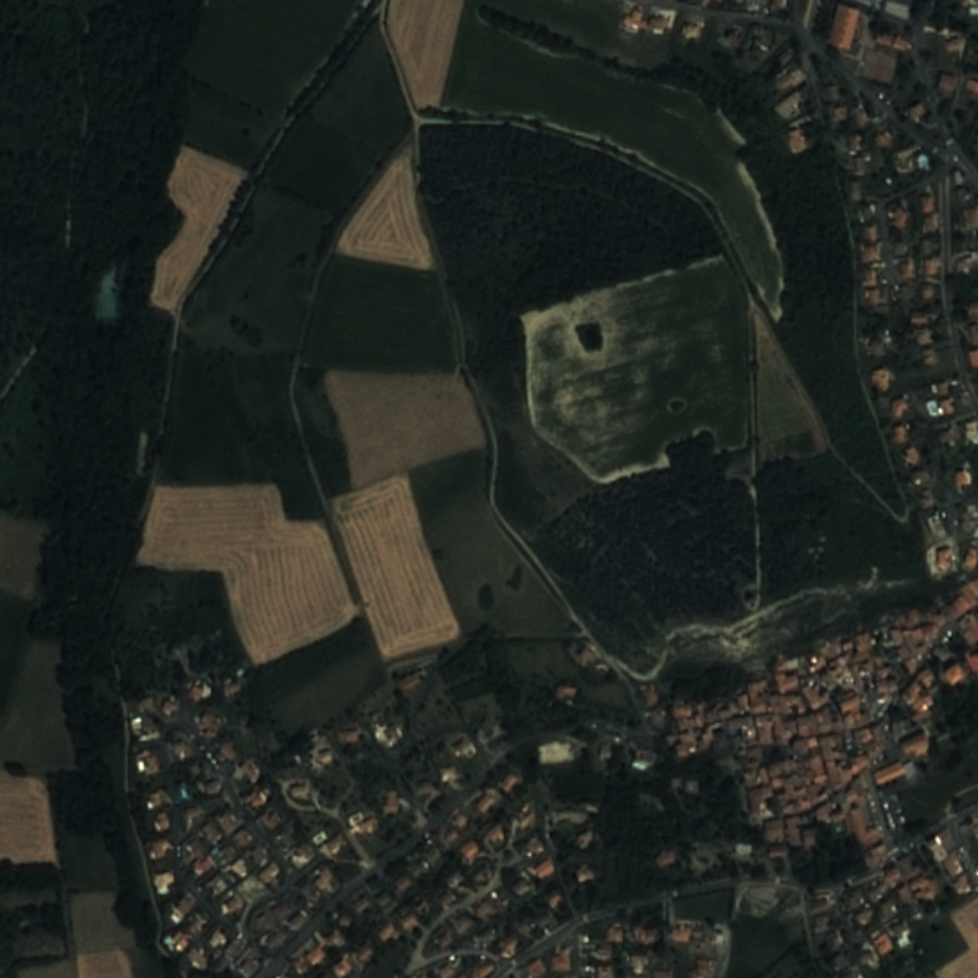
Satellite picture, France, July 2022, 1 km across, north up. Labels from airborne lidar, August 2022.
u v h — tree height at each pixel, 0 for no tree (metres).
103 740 15
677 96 0
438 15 0
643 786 7
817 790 0
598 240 10
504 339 7
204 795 7
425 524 0
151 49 22
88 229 17
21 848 0
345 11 0
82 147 11
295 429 8
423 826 0
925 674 0
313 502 0
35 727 0
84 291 20
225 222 6
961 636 8
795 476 13
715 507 11
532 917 9
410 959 8
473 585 0
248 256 0
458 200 9
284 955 0
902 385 0
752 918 0
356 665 0
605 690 0
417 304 0
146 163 28
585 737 11
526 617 0
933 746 13
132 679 7
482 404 0
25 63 13
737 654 0
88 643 24
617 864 7
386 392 0
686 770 8
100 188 20
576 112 0
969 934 0
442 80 0
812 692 0
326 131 0
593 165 11
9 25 15
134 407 11
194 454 0
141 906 8
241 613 0
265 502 0
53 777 9
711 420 0
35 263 14
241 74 0
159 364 9
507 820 6
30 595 0
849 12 0
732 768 0
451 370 0
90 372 13
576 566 6
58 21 8
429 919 10
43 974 0
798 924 0
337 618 0
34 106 6
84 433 22
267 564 0
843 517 7
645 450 0
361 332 0
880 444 7
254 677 6
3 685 0
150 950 8
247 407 0
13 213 19
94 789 19
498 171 11
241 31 0
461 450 0
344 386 0
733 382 0
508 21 12
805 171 8
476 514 0
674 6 0
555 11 0
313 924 0
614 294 0
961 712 13
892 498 10
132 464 7
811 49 0
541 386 0
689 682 11
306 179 0
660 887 8
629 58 0
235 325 10
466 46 0
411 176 0
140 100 20
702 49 0
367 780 7
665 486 6
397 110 0
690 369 0
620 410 0
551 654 0
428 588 0
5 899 0
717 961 0
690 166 0
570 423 0
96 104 6
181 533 0
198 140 0
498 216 7
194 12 25
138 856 0
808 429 0
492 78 0
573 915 10
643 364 0
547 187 7
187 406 0
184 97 18
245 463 0
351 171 0
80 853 0
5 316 11
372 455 0
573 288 9
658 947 14
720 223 12
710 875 9
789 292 11
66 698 14
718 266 0
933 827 8
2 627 0
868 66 0
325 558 0
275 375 0
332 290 0
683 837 14
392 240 0
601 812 7
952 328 0
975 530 0
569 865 8
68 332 14
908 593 7
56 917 14
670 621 0
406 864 11
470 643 8
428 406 0
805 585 6
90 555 24
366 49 0
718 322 0
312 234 0
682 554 9
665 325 0
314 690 0
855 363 8
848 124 7
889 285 0
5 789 0
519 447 0
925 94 11
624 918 13
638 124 0
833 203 8
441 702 8
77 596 15
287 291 0
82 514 24
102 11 10
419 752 7
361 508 0
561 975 0
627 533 7
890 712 11
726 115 7
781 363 0
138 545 11
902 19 0
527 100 0
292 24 0
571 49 11
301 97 11
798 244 12
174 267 0
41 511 14
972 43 7
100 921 0
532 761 11
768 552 9
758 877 12
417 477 0
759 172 6
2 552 0
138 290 12
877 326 8
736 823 18
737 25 0
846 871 14
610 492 9
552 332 0
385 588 0
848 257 10
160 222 21
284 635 0
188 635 7
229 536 0
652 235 10
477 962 6
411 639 0
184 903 0
